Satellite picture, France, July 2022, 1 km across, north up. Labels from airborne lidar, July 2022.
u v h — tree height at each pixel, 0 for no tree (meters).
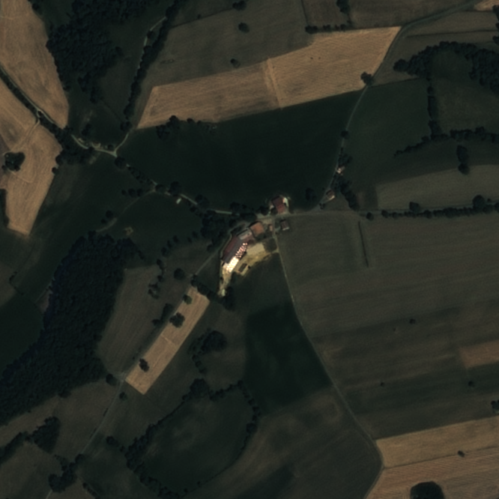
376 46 0
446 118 0
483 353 0
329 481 0
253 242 0
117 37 0
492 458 0
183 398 12
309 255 0
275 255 0
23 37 0
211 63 0
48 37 0
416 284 0
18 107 0
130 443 0
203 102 0
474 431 0
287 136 0
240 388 17
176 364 0
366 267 0
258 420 15
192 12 0
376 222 0
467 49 21
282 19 0
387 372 0
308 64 0
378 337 0
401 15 0
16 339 0
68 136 7
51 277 0
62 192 0
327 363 0
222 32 0
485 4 0
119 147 0
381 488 0
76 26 8
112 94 0
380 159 0
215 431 0
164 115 0
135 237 0
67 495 0
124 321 0
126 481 0
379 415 0
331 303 0
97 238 14
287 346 0
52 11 0
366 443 0
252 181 0
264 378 0
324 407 0
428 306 0
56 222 0
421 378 0
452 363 0
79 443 0
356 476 0
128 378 0
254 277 0
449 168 0
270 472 0
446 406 0
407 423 0
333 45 0
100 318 24
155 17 0
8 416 18
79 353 26
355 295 0
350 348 0
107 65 14
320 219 0
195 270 0
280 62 0
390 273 0
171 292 0
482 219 0
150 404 0
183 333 0
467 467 0
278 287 0
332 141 0
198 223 0
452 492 0
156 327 14
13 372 29
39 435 18
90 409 0
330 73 0
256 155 0
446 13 0
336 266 0
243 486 0
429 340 0
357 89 0
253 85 0
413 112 0
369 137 0
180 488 0
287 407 0
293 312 0
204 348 18
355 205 20
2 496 0
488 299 0
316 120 0
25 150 0
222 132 0
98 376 10
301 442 0
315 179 0
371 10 0
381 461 0
